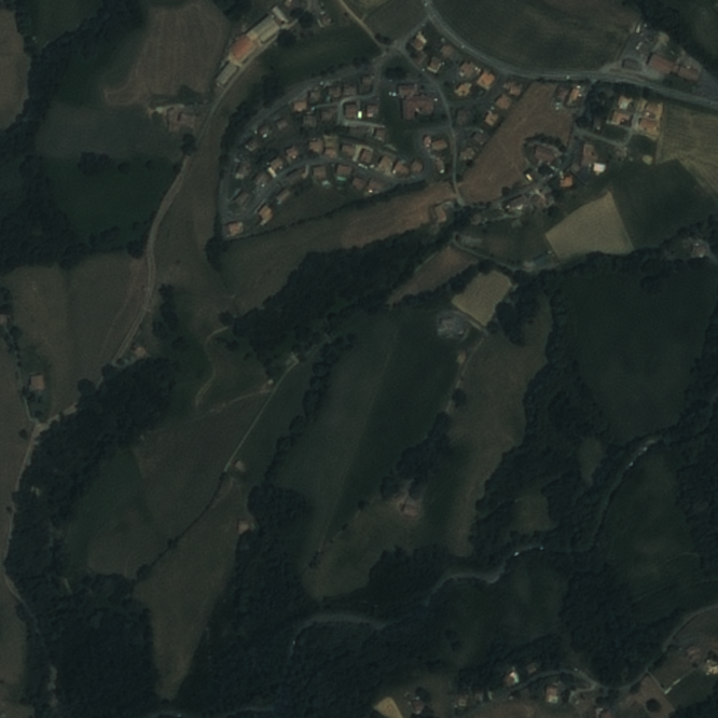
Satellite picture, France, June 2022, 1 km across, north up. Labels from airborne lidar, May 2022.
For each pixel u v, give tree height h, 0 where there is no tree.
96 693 31
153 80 0
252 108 6
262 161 7
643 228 0
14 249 17
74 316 0
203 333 0
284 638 23
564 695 6
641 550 0
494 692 12
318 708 15
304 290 17
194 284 0
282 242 0
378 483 0
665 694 0
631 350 0
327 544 0
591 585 33
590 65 0
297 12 14
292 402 0
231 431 0
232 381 0
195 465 0
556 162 6
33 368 0
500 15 0
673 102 0
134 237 0
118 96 0
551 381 33
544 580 0
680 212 0
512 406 0
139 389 14
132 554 0
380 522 0
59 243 26
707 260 12
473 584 7
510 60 0
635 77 0
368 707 17
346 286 14
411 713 0
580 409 22
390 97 0
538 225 0
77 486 8
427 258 9
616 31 0
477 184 0
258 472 0
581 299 0
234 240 6
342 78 0
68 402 0
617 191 0
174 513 0
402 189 11
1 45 0
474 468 0
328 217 7
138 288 0
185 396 0
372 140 0
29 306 0
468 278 15
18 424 0
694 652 0
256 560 25
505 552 13
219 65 0
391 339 0
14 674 0
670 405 0
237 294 0
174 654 0
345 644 9
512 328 22
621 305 0
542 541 6
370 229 0
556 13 0
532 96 0
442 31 0
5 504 0
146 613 8
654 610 0
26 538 21
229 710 19
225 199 0
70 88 0
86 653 14
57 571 29
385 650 19
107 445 33
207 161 0
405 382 0
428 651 13
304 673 10
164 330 17
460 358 0
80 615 28
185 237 0
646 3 33
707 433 22
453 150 0
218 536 0
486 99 0
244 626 24
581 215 0
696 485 17
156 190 0
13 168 0
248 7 17
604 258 24
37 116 19
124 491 0
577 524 27
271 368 9
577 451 13
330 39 0
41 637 19
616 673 18
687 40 29
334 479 0
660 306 0
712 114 0
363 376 0
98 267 0
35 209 12
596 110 14
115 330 0
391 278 7
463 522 0
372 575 8
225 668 22
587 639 17
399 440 0
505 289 0
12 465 0
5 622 0
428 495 0
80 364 0
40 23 0
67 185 0
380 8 0
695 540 7
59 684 11
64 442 22
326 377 18
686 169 0
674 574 0
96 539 0
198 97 0
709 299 0
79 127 0
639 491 0
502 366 0
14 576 16
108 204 0
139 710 20
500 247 0
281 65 0
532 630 0
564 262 0
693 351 0
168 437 0
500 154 0
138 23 13
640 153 0
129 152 0
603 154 0
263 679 32
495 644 7
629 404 0
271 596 22
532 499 0
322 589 0
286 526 11
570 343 17
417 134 0
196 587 0
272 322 12
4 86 0
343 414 0
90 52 13
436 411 0
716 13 0
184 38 0
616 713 0
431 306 26
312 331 16
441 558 6
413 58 8
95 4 0
